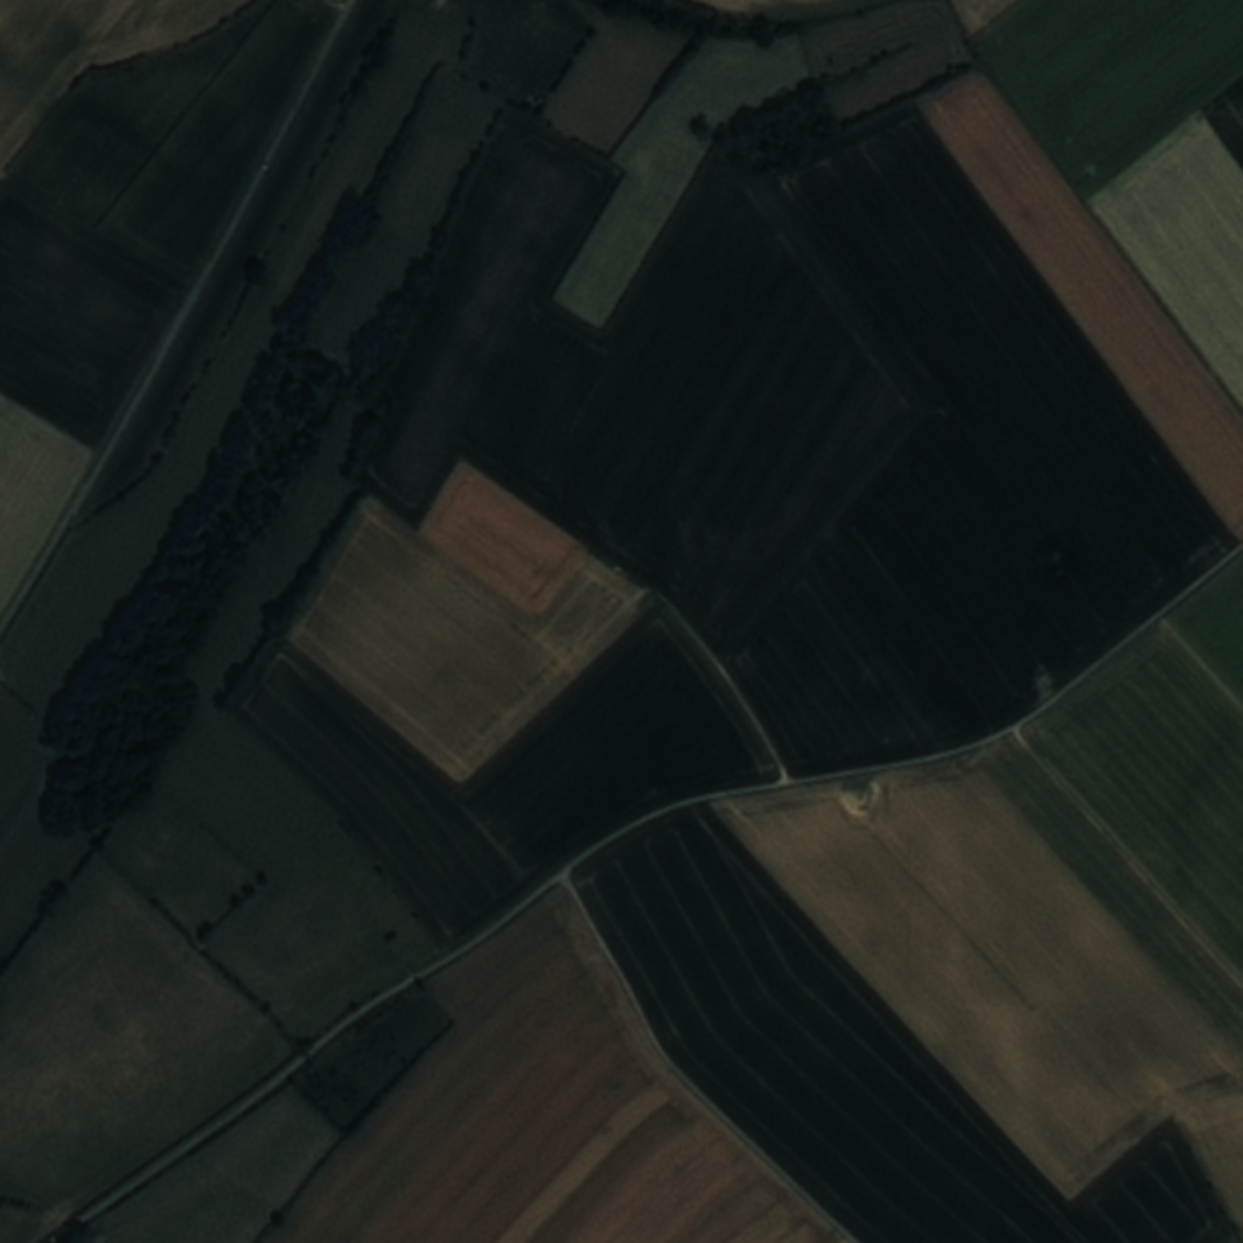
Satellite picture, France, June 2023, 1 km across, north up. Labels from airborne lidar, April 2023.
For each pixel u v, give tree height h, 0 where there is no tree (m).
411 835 0
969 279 0
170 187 0
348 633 0
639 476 0
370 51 11
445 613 0
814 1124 0
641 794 0
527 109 7
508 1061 0
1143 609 0
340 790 0
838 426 0
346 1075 0
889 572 0
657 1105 0
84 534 0
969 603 0
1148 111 0
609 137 0
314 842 0
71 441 0
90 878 0
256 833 0
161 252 0
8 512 0
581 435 0
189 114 0
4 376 0
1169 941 0
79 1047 0
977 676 0
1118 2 0
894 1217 0
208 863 0
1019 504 0
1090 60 0
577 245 0
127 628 25
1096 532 0
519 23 0
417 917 6
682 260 0
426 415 0
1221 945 0
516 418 0
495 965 0
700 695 0
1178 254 0
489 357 0
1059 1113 0
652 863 0
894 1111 0
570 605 0
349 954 0
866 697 0
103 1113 0
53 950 0
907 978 0
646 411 0
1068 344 0
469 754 0
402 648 0
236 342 0
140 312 0
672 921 0
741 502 0
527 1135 0
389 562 0
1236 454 0
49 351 0
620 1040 0
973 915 0
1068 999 0
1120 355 0
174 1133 0
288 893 0
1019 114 0
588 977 0
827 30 0
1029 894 0
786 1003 0
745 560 0
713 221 0
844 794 0
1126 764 0
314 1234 0
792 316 0
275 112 0
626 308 0
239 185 0
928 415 0
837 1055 0
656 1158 0
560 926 0
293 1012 0
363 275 0
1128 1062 0
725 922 0
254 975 0
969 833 0
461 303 0
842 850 0
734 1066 0
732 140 12
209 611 19
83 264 0
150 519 0
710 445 0
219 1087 0
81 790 22
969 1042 0
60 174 0
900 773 0
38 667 0
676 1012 0
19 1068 0
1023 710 0
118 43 0
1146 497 0
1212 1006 0
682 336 0
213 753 0
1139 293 0
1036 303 0
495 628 0
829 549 0
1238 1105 0
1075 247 0
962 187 0
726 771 0
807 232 0
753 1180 0
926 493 0
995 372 0
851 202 0
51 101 0
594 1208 0
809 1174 0
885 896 0
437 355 0
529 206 0
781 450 0
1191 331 0
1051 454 0
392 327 22
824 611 0
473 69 0
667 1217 0
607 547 0
